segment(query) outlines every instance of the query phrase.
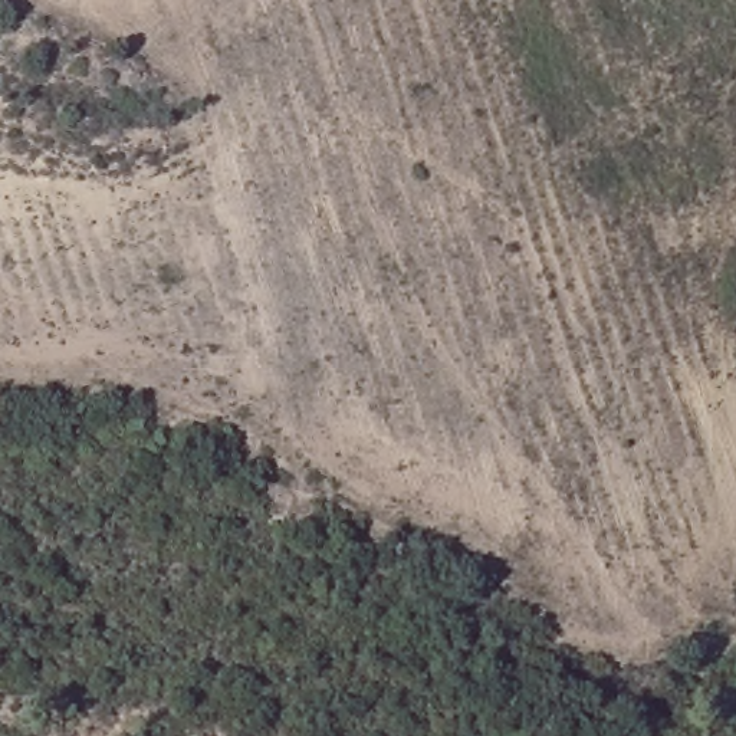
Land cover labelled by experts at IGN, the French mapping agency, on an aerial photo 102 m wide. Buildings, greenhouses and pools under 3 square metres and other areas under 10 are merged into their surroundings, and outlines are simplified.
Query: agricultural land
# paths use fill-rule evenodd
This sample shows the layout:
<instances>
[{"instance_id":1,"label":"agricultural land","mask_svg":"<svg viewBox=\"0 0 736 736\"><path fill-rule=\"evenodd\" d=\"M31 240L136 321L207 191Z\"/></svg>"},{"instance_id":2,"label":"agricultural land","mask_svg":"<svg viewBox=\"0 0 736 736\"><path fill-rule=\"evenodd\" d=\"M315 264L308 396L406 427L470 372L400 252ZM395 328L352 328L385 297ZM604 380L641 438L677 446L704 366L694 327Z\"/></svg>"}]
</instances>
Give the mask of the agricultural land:
<instances>
[{"instance_id":1,"label":"agricultural land","mask_svg":"<svg viewBox=\"0 0 736 736\"><path fill-rule=\"evenodd\" d=\"M0 58L0 66L14 78L23 78L23 52L12 40L3 40Z\"/></svg>"},{"instance_id":2,"label":"agricultural land","mask_svg":"<svg viewBox=\"0 0 736 736\"><path fill-rule=\"evenodd\" d=\"M98 6L118 6L127 14L135 14L135 20L152 9L152 0L46 0L52 9L66 9L78 17L86 17Z\"/></svg>"}]
</instances>

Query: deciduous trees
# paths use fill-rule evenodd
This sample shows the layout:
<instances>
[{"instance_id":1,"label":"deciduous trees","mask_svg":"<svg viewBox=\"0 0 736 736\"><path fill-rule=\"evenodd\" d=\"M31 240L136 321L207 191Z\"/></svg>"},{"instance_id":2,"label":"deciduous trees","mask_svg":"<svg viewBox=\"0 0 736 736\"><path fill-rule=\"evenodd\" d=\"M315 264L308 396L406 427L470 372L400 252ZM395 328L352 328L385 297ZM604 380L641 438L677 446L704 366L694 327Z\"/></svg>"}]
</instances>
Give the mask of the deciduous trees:
<instances>
[{"instance_id":1,"label":"deciduous trees","mask_svg":"<svg viewBox=\"0 0 736 736\"><path fill-rule=\"evenodd\" d=\"M736 334L736 244L727 250L725 273L716 285L719 325Z\"/></svg>"}]
</instances>

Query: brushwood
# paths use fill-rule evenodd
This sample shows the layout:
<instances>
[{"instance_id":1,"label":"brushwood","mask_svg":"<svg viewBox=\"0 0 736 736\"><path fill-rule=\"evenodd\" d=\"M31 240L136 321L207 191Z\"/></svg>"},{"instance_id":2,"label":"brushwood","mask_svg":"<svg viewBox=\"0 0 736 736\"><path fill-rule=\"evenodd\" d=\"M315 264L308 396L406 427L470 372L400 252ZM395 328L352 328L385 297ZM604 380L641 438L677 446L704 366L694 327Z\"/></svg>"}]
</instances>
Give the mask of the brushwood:
<instances>
[{"instance_id":1,"label":"brushwood","mask_svg":"<svg viewBox=\"0 0 736 736\"><path fill-rule=\"evenodd\" d=\"M0 35L17 32L23 26L35 0L0 0Z\"/></svg>"},{"instance_id":2,"label":"brushwood","mask_svg":"<svg viewBox=\"0 0 736 736\"><path fill-rule=\"evenodd\" d=\"M9 132L12 152L37 158L49 147L66 150L92 158L95 167L118 164L124 175L135 173L127 152L104 152L104 147L92 144L95 135L112 129L173 127L219 104L219 95L201 95L173 106L167 104L167 86L135 92L121 83L118 69L104 69L109 98L95 98L92 89L83 86L49 86L49 72L43 66L43 43L32 43L23 52L23 78L14 78L0 66L0 95L9 101L9 118L32 118L37 124L35 132Z\"/></svg>"},{"instance_id":3,"label":"brushwood","mask_svg":"<svg viewBox=\"0 0 736 736\"><path fill-rule=\"evenodd\" d=\"M63 382L0 382L0 736L736 736L736 647L727 644L727 624L699 624L693 635L681 635L673 644L667 644L664 658L647 664L621 664L612 653L581 653L575 644L561 647L561 624L555 612L541 610L532 601L512 598L506 584L489 598L477 592L483 575L477 572L477 566L489 552L466 546L454 535L417 526L411 520L400 520L397 529L385 538L374 538L371 512L348 512L339 506L339 497L313 500L311 518L276 520L270 486L290 486L293 474L276 466L273 449L250 454L244 431L233 423L213 417L207 423L167 426L158 420L158 400L152 388L118 385L109 380L89 380L81 388L69 388Z\"/></svg>"}]
</instances>

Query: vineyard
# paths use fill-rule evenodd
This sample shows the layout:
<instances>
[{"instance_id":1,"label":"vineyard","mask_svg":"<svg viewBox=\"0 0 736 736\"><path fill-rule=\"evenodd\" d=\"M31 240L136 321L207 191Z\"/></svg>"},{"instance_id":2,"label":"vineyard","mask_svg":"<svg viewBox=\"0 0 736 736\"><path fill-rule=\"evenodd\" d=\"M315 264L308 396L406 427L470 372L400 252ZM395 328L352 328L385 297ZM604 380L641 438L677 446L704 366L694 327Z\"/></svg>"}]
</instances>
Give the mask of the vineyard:
<instances>
[{"instance_id":1,"label":"vineyard","mask_svg":"<svg viewBox=\"0 0 736 736\"><path fill-rule=\"evenodd\" d=\"M66 9L52 9L46 0L35 0L23 26L17 32L0 35L0 58L3 40L12 40L23 52L32 43L43 43L43 66L49 72L49 86L83 86L92 89L95 98L109 98L104 69L118 69L121 83L135 92L167 86L167 104L173 106L201 95L219 95L219 104L173 127L112 129L95 135L92 144L104 147L104 152L127 152L135 173L124 175L118 164L95 167L92 158L66 150L49 147L37 158L12 152L9 132L35 132L37 124L32 118L9 118L9 101L0 95L0 382L63 382L69 388L81 388L89 380L109 380L118 385L152 388L158 400L158 420L167 426L207 423L213 417L233 423L244 431L250 454L273 449L276 466L293 474L290 486L270 486L276 520L311 518L313 500L339 497L339 506L348 512L371 512L374 538L385 538L397 529L400 520L411 520L417 526L454 535L466 546L489 552L477 566L477 572L483 575L477 592L489 598L506 584L512 598L532 601L541 610L555 612L561 624L561 647L575 644L581 653L612 653L621 664L647 664L664 658L667 644L673 644L681 635L693 635L699 624L704 601L736 598L736 334L719 325L716 285L725 273L727 250L736 244L736 0L152 0L152 9L135 20L135 14L127 14L118 6L98 6L86 17L78 17Z\"/></svg>"}]
</instances>

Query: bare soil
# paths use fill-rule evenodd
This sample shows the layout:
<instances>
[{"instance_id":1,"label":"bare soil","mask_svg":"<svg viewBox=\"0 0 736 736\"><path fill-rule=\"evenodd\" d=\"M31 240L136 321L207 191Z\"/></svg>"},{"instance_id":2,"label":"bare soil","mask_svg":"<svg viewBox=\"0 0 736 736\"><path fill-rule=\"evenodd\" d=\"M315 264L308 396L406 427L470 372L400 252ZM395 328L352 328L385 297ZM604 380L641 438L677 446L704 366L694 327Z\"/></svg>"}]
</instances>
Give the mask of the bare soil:
<instances>
[{"instance_id":1,"label":"bare soil","mask_svg":"<svg viewBox=\"0 0 736 736\"><path fill-rule=\"evenodd\" d=\"M727 644L736 647L736 598L704 601L699 624L727 624Z\"/></svg>"}]
</instances>

